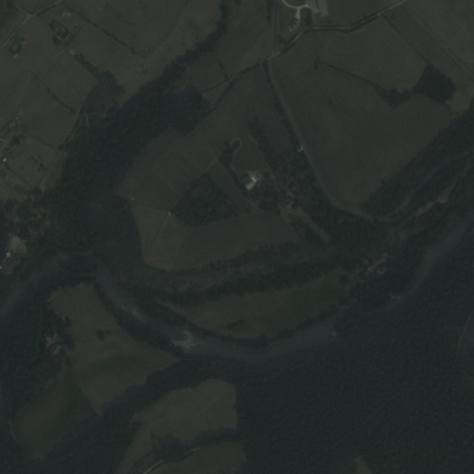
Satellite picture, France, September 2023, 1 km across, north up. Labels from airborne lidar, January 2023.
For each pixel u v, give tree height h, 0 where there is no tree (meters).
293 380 13
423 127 0
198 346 0
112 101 8
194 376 11
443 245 0
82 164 10
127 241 7
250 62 0
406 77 0
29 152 0
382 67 0
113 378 0
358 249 10
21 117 0
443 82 12
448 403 25
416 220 12
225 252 0
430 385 16
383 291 17
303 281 19
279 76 0
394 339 17
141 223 0
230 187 0
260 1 0
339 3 0
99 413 0
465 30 0
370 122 0
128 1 0
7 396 19
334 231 12
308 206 0
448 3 0
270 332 0
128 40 0
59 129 0
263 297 0
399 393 11
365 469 0
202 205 10
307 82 0
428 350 23
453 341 14
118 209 11
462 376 11
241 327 0
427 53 0
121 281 9
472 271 23
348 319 10
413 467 14
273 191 15
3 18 0
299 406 15
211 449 0
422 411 14
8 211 13
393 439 7
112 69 0
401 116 0
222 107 0
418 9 0
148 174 0
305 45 0
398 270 19
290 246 11
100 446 16
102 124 6
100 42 0
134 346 0
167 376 9
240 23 0
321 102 0
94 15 0
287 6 0
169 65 0
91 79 0
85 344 0
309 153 0
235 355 0
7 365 14
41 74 0
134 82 0
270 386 12
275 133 0
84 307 0
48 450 0
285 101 0
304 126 0
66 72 0
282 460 18
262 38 0
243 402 12
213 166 0
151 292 10
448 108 0
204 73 0
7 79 0
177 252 0
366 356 22
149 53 0
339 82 0
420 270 0
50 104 0
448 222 15
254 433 11
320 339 0
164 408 0
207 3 0
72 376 0
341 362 29
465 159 9
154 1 0
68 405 0
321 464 11
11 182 0
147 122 14
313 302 0
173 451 21
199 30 0
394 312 21
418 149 0
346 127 0
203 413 0
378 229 8
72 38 0
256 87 0
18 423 0
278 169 10
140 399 21
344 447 11
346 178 0
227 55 0
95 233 16
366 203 9
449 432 22
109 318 0
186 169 0
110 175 17
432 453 13
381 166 0
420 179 9
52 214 13
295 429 22
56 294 0
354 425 14
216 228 0
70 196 19
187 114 9
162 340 23
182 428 0
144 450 0
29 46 0
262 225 0
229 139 0
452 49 0
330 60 0
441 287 19
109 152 19
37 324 29
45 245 9
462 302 13
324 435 20
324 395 22
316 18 0
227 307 0
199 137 0
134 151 16
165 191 0
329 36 0
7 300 0
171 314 12
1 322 24
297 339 0
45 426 0
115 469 10
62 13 0
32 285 21
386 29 0
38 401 0
